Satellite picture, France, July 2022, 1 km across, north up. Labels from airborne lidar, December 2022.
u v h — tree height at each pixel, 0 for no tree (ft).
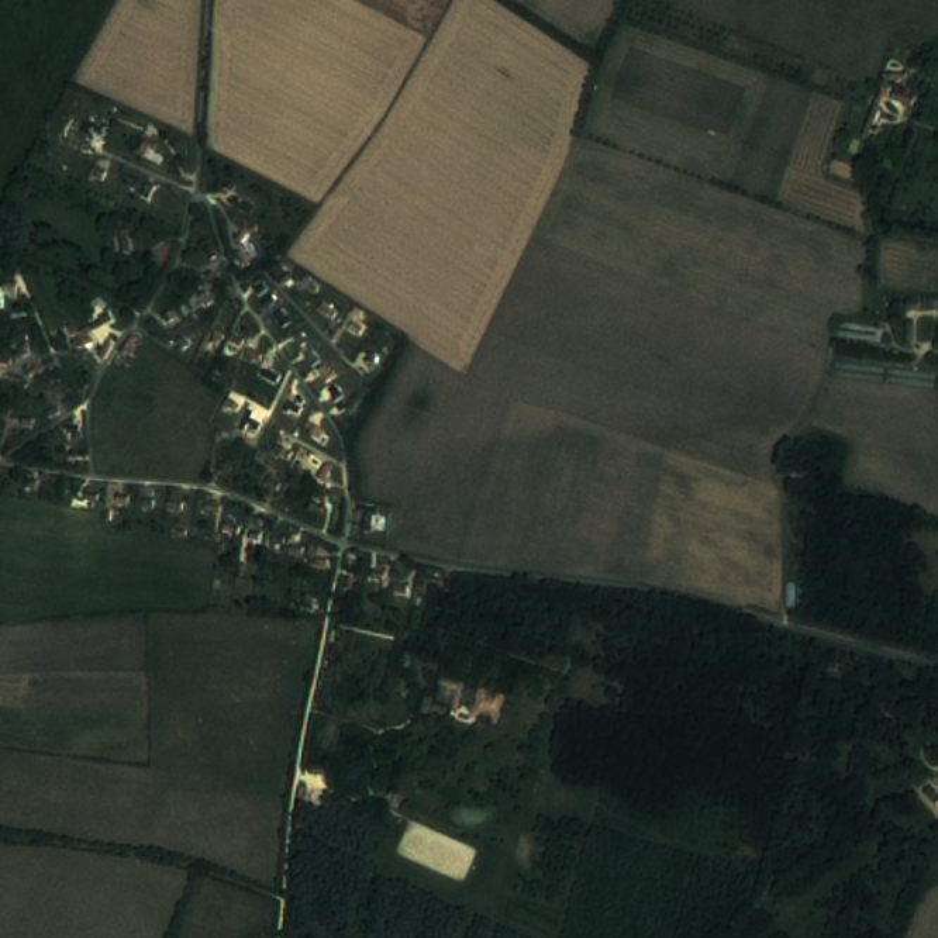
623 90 0
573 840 37
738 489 0
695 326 0
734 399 0
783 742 31
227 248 22
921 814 0
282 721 0
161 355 0
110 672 0
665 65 0
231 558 38
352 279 0
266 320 0
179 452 0
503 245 0
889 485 0
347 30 0
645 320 0
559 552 0
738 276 0
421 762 21
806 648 30
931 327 0
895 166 27
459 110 0
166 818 0
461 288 0
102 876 0
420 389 0
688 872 29
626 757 51
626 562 0
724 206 0
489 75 0
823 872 35
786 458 74
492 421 0
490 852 0
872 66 0
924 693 79
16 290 0
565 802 0
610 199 0
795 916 0
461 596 37
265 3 0
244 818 0
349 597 36
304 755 20
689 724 53
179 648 0
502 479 0
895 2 0
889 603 52
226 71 0
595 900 21
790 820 23
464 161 0
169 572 0
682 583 0
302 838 52
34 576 0
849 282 0
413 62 0
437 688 18
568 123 0
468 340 0
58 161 0
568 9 0
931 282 0
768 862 42
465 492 0
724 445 0
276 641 0
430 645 48
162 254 0
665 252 0
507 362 0
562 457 0
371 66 0
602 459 0
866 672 77
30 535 0
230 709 0
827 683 43
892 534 51
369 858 60
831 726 45
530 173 0
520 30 0
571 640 61
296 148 0
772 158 0
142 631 0
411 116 0
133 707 0
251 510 24
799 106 0
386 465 0
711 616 50
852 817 47
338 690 19
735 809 32
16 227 54
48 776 0
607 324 0
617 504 0
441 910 46
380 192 0
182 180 0
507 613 66
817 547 54
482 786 0
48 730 0
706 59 0
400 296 0
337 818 53
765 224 0
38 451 23
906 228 21
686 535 0
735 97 0
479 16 0
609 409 0
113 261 54
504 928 28
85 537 0
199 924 0
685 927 29
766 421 0
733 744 28
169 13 0
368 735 23
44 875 0
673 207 0
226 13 0
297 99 0
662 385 0
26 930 0
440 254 0
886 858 67
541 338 0
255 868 0
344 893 54
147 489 0
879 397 0
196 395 0
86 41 0
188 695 0
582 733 51
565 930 18
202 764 0
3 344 29
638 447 0
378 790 32
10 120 0
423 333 0
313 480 42
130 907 0
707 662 45
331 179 0
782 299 0
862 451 0
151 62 0
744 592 0
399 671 21
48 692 0
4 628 0
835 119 0
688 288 0
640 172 0
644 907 21
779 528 0
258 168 0
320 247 0
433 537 0
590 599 36
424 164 0
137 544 0
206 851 0
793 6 0
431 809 0
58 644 0
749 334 0
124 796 0
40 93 0
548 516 0
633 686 42
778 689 47
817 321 0
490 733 0
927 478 0
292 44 0
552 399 0
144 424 0
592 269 0
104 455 0
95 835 0
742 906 36
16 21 0
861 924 25
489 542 0
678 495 0
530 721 0
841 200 0
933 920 0
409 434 0
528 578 45
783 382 0
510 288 0
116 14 0
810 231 0
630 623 41
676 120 0
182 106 0
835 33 0
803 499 28
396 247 0
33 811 0
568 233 0
